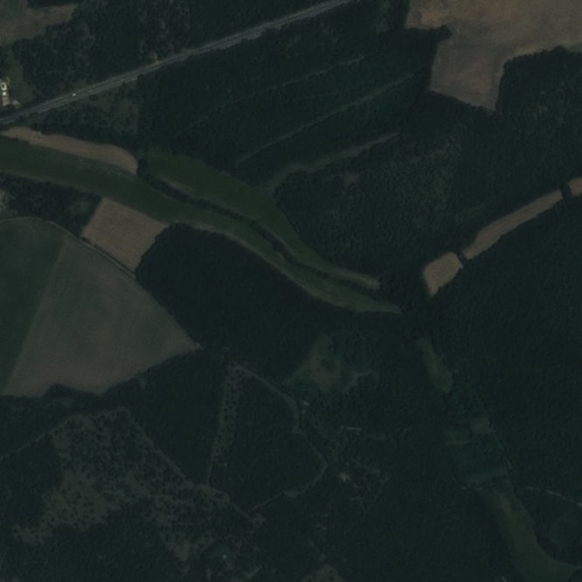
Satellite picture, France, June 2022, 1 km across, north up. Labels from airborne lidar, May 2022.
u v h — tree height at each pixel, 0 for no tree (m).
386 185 9
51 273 0
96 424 7
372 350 12
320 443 11
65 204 14
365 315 13
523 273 12
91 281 0
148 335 0
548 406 9
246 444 12
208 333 16
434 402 14
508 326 11
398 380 13
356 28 12
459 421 9
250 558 7
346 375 0
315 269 7
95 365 0
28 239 0
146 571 12
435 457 13
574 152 12
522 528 0
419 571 12
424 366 10
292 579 9
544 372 11
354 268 14
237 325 13
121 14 12
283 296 8
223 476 11
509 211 6
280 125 12
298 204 13
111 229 0
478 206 8
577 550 13
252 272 11
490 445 12
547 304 8
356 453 11
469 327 12
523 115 9
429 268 0
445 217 5
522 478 11
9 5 0
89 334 0
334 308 10
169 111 15
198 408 13
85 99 0
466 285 13
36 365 0
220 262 13
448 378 0
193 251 15
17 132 0
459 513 11
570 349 9
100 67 9
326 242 8
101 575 14
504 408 11
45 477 10
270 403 12
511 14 0
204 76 14
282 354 13
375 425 11
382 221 11
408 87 8
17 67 0
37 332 0
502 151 8
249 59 12
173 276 15
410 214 5
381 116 9
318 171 7
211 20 12
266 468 13
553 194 0
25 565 7
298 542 12
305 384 7
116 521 12
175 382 13
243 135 8
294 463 12
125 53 10
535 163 8
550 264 11
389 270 13
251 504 11
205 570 8
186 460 13
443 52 0
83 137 15
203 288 19
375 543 9
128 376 0
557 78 11
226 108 8
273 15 10
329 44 10
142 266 14
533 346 10
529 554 0
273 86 11
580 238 9
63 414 9
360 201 9
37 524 10
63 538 13
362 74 9
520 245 11
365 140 15
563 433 11
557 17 0
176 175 0
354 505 6
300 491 10
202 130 13
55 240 0
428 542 10
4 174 7
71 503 6
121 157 0
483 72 0
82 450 8
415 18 0
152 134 12
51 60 10
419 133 16
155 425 13
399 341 14
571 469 10
